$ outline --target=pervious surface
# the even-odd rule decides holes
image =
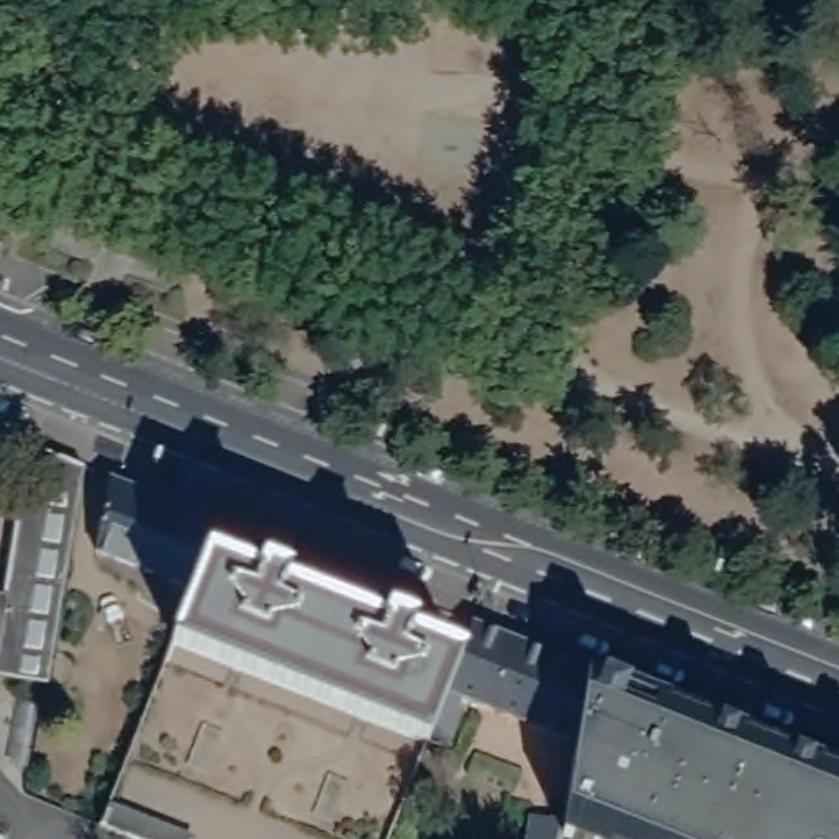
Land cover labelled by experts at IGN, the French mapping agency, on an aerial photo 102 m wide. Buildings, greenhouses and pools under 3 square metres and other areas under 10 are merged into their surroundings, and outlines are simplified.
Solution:
[[[839,393],[816,406],[816,416],[823,420],[823,429],[816,433],[803,429],[783,410],[777,416],[764,416],[764,410],[757,406],[751,410],[734,423],[708,423],[695,410],[695,403],[688,400],[669,420],[682,433],[714,442],[731,442],[744,449],[747,442],[780,442],[783,449],[790,449],[793,465],[803,465],[806,472],[810,478],[816,478],[819,505],[829,508],[829,515],[836,518],[839,518]]]
[[[111,623],[138,619],[154,629],[161,619],[157,603],[147,590],[141,593],[128,583],[105,577],[95,564],[105,557],[102,515],[108,478],[118,459],[98,456],[85,469],[85,521],[72,528],[69,541],[69,554],[75,554],[75,590],[92,596],[95,616],[105,613]]]

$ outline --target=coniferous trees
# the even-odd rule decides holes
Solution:
[[[810,180],[780,177],[777,190],[760,187],[751,193],[760,223],[760,249],[767,256],[800,252],[813,259],[813,265],[829,272],[836,269],[839,265],[839,226],[823,223],[823,210],[816,206],[816,193],[810,187]]]
[[[626,420],[623,406],[613,397],[600,393],[593,400],[593,420],[580,433],[580,439],[590,449],[606,452],[616,442],[616,429]]]
[[[682,446],[682,433],[669,420],[659,410],[652,420],[633,423],[629,429],[636,449],[642,449],[646,456],[672,456]]]

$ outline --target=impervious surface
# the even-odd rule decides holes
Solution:
[[[560,819],[564,826],[570,823],[577,737],[564,728],[564,721],[554,721],[547,714],[537,714],[531,721],[524,714],[524,721],[518,721],[511,711],[498,711],[495,705],[478,698],[462,698],[462,708],[478,711],[475,747],[518,764],[515,796],[528,800],[531,806],[541,810],[541,816]]]
[[[331,397],[338,393],[338,387],[357,380],[357,370],[351,370],[321,374],[295,374],[285,364],[285,370],[272,383],[265,383],[252,400],[243,393],[243,383],[236,380],[220,380],[216,390],[206,390],[197,367],[206,354],[220,347],[216,334],[206,328],[203,318],[193,318],[184,321],[177,334],[157,341],[154,354],[141,367],[125,367],[105,357],[92,341],[92,324],[69,324],[62,315],[49,308],[69,298],[75,282],[39,272],[33,265],[10,259],[10,252],[0,252],[0,436],[20,433],[29,420],[36,420],[36,426],[46,436],[52,436],[49,449],[62,456],[85,462],[85,469],[98,456],[118,459],[108,478],[115,485],[128,485],[134,478],[134,505],[151,495],[164,495],[167,508],[180,518],[190,518],[200,505],[203,515],[223,534],[243,537],[249,544],[288,544],[298,554],[298,564],[318,567],[374,593],[413,593],[420,596],[423,613],[459,623],[469,629],[469,636],[475,629],[488,633],[488,626],[505,626],[541,642],[541,652],[557,662],[580,662],[583,649],[590,649],[590,659],[600,669],[626,662],[633,665],[629,695],[705,721],[721,734],[734,734],[751,744],[787,754],[803,767],[816,767],[839,777],[839,616],[803,619],[800,626],[796,619],[790,619],[790,613],[780,610],[780,603],[770,603],[764,613],[734,610],[728,603],[718,603],[711,593],[701,593],[698,587],[665,580],[659,567],[639,567],[642,551],[633,551],[629,560],[623,560],[619,551],[606,551],[603,544],[580,547],[531,518],[508,515],[495,505],[472,501],[456,488],[446,488],[439,469],[400,472],[397,459],[387,452],[387,442],[367,446],[364,452],[341,452],[338,446],[321,439],[321,420],[331,413]]]
[[[23,678],[20,669],[0,669],[0,839],[118,839],[111,832],[102,832],[98,823],[79,813],[66,813],[52,800],[26,790],[26,764],[36,721],[36,682]]]
[[[92,256],[85,282],[95,285],[88,302],[95,311],[118,311],[125,302],[131,302],[131,288],[125,282],[141,282],[151,262],[131,259],[111,265],[108,259]]]

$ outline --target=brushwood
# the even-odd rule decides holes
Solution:
[[[442,780],[449,790],[462,790],[475,790],[482,803],[515,796],[518,764],[475,747],[478,711],[462,708],[456,721],[459,741],[436,760],[429,773]]]
[[[88,751],[85,790],[62,790],[52,780],[49,760],[43,767],[26,764],[26,790],[52,800],[66,813],[79,813],[98,823],[118,783],[134,731],[144,718],[147,698],[157,685],[167,646],[174,639],[174,626],[161,619],[154,629],[147,639],[141,678],[125,685],[128,714],[115,737],[115,747]]]

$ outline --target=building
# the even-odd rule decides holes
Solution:
[[[69,465],[69,485],[66,495],[49,501],[46,521],[0,521],[0,669],[20,669],[23,678],[36,682],[56,682],[56,675],[49,672],[46,639],[59,636],[62,593],[75,590],[75,554],[69,554],[69,541],[72,528],[85,521],[85,469],[85,462],[62,456],[62,465]]]
[[[429,773],[436,760],[459,741],[456,721],[462,708],[462,698],[478,698],[495,705],[498,711],[511,711],[518,721],[524,721],[524,714],[531,721],[537,714],[547,714],[554,721],[564,721],[564,728],[577,737],[570,823],[564,826],[560,819],[541,816],[541,810],[531,806],[521,819],[528,826],[524,839],[839,839],[839,777],[816,767],[803,767],[787,754],[751,744],[734,734],[721,734],[705,721],[629,695],[633,665],[626,662],[600,669],[590,659],[590,649],[583,649],[580,662],[557,662],[541,652],[541,642],[505,626],[488,626],[488,633],[475,629],[469,636],[469,629],[459,623],[423,613],[420,596],[413,593],[374,593],[318,567],[298,564],[298,554],[288,544],[249,544],[243,537],[223,534],[203,515],[200,505],[190,518],[180,518],[167,508],[164,495],[151,495],[134,505],[134,478],[128,485],[115,485],[108,478],[102,515],[105,557],[118,567],[141,564],[147,590],[157,603],[161,619],[174,626],[174,639],[167,646],[157,685],[147,698],[144,718],[134,731],[118,783],[98,823],[102,832],[111,832],[118,839],[390,839],[403,800]]]

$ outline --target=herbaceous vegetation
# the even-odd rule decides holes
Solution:
[[[773,36],[790,39],[806,26],[803,7],[810,7],[813,0],[767,0],[760,7],[767,29]]]
[[[347,364],[351,370],[357,370],[357,380],[377,380],[383,387],[393,387],[397,374],[383,361],[364,367],[361,357]]]
[[[452,826],[452,832],[436,832],[429,839],[524,839],[528,826],[521,819],[531,806],[528,800],[515,796],[482,803],[475,790],[462,790],[462,819]]]
[[[803,465],[793,465],[790,449],[783,449],[780,442],[747,442],[744,449],[744,478],[737,488],[721,482],[718,475],[698,472],[698,459],[714,452],[714,442],[682,433],[682,446],[672,456],[646,456],[642,449],[636,449],[629,429],[633,423],[652,420],[659,410],[669,420],[688,400],[695,403],[708,393],[711,370],[728,367],[741,380],[751,410],[757,406],[764,410],[764,416],[777,416],[783,410],[803,429],[816,433],[823,429],[823,420],[816,416],[816,406],[839,393],[839,377],[832,370],[819,370],[806,351],[819,344],[826,334],[839,338],[839,265],[836,269],[836,295],[826,302],[813,302],[806,308],[803,324],[793,331],[780,321],[770,302],[780,295],[780,285],[793,272],[810,272],[813,265],[813,259],[800,252],[767,256],[760,249],[760,223],[751,193],[760,187],[777,190],[780,177],[810,180],[813,151],[823,157],[839,157],[839,66],[813,59],[810,75],[816,82],[819,108],[803,115],[780,111],[777,98],[764,88],[760,69],[737,69],[737,82],[724,82],[721,92],[714,88],[714,79],[698,75],[678,88],[675,102],[685,121],[685,141],[678,151],[665,157],[665,167],[682,174],[682,180],[695,190],[695,203],[705,210],[705,236],[695,246],[695,252],[669,262],[659,272],[659,282],[669,292],[688,298],[692,305],[692,341],[675,357],[636,357],[633,331],[639,328],[642,315],[639,305],[623,305],[590,324],[596,341],[574,354],[577,377],[570,380],[567,397],[551,416],[541,403],[531,403],[521,413],[521,426],[505,426],[505,416],[488,413],[482,406],[482,397],[469,390],[469,380],[442,377],[439,393],[406,390],[406,403],[397,406],[387,423],[374,426],[374,436],[387,436],[390,423],[406,426],[406,433],[420,436],[423,416],[433,413],[439,420],[449,420],[446,433],[456,456],[475,456],[492,436],[505,442],[498,452],[505,462],[521,462],[521,456],[531,452],[531,459],[544,459],[544,472],[551,478],[567,482],[577,478],[577,459],[587,459],[590,472],[606,469],[613,482],[629,485],[623,495],[610,495],[606,508],[633,508],[642,495],[652,498],[652,518],[675,531],[692,531],[695,521],[708,521],[711,537],[721,547],[714,570],[724,570],[724,554],[737,554],[757,541],[757,528],[751,524],[751,518],[757,515],[757,501],[770,498],[773,488],[787,478],[787,472],[806,472]],[[626,420],[616,429],[616,442],[606,452],[590,449],[580,439],[580,433],[593,420],[593,400],[600,393],[613,397],[623,406]]]
[[[839,184],[810,187],[816,193],[816,206],[823,210],[823,223],[839,226]]]
[[[151,295],[151,331],[157,341],[177,334],[184,321],[193,318],[203,318],[206,328],[216,334],[223,321],[210,308],[203,279],[174,275],[167,282],[167,272],[151,262],[141,282]]]
[[[839,574],[839,518],[836,518],[826,531],[813,531],[813,551],[790,544],[783,537],[777,547],[780,557],[793,560],[787,570],[793,583],[826,577],[826,570]]]
[[[29,252],[20,229],[0,239],[0,252],[10,252],[10,259],[33,265],[39,272],[75,282],[85,282],[92,256],[108,259],[111,265],[131,259],[128,239],[105,246],[105,239],[82,243],[62,233],[56,256],[39,256]]]
[[[279,351],[285,364],[295,374],[321,374],[324,361],[308,347],[305,331],[292,331],[288,338],[269,338],[265,347]]]
[[[128,583],[141,593],[147,590],[141,564],[118,567],[105,557],[95,564],[105,577]]]
[[[478,36],[456,26],[449,16],[429,13],[423,16],[423,26],[429,29],[429,36],[416,43],[397,39],[393,52],[374,52],[367,46],[367,36],[351,36],[344,26],[338,26],[338,36],[331,39],[328,52],[315,52],[311,46],[282,49],[265,36],[243,43],[200,43],[174,62],[174,88],[161,88],[154,95],[154,105],[161,118],[174,128],[193,125],[203,138],[249,144],[265,157],[275,157],[275,167],[341,180],[341,187],[351,187],[351,197],[364,203],[383,203],[403,220],[416,220],[420,226],[433,229],[452,229],[465,239],[472,216],[485,216],[492,193],[501,187],[508,174],[515,177],[515,170],[524,161],[518,125],[521,102],[531,98],[531,85],[521,79],[528,66],[521,59],[521,43],[515,36],[498,43],[495,36]]]
[[[141,678],[147,639],[154,629],[138,619],[111,623],[105,613],[95,616],[82,642],[66,642],[59,636],[46,639],[49,672],[56,675],[56,682],[36,682],[36,721],[26,764],[43,767],[49,760],[52,780],[62,790],[85,790],[88,751],[115,747],[115,737],[128,714],[125,685]]]

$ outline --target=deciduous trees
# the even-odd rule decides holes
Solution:
[[[728,367],[711,370],[708,393],[695,403],[695,410],[708,423],[734,423],[751,410],[741,380]]]
[[[62,465],[62,456],[49,449],[52,436],[46,436],[36,426],[36,420],[29,420],[20,433],[0,436],[0,521],[46,521],[49,501],[66,495],[69,485],[69,465]]]
[[[803,324],[806,308],[813,302],[826,302],[836,295],[836,269],[829,272],[813,265],[810,272],[793,272],[780,285],[780,295],[770,302],[780,321],[793,331]]]
[[[125,367],[141,367],[154,354],[157,341],[151,331],[151,295],[141,282],[125,282],[131,288],[131,302],[125,302],[118,311],[95,311],[88,302],[95,285],[85,282],[75,282],[69,298],[49,308],[62,315],[69,324],[92,324],[92,341],[105,357]]]
[[[731,442],[714,442],[714,452],[698,459],[698,472],[718,475],[721,482],[737,488],[744,478],[744,449]]]
[[[82,642],[95,616],[92,596],[75,590],[62,593],[59,636],[66,642]]]
[[[839,157],[823,157],[813,151],[810,180],[810,187],[839,184]]]
[[[449,790],[442,780],[429,773],[403,800],[390,839],[429,839],[436,832],[452,832],[452,826],[462,819],[462,790]]]
[[[839,338],[826,334],[819,344],[806,351],[819,370],[832,370],[839,377]]]
[[[777,98],[780,111],[803,115],[819,108],[816,82],[810,75],[813,59],[839,66],[839,0],[813,0],[810,7],[803,7],[806,26],[790,39],[773,36],[767,29],[760,7],[767,0],[0,0],[0,239],[20,229],[29,252],[39,256],[56,256],[62,233],[82,243],[105,239],[105,246],[128,239],[131,259],[151,262],[167,272],[167,282],[174,275],[203,279],[210,308],[223,321],[216,334],[220,347],[206,354],[197,367],[206,390],[216,390],[220,380],[236,380],[243,383],[243,393],[252,400],[265,383],[272,383],[285,370],[285,364],[279,351],[265,347],[269,338],[288,338],[292,331],[305,331],[308,347],[324,361],[321,374],[351,370],[347,364],[361,357],[364,367],[383,361],[397,374],[393,387],[383,387],[377,380],[357,380],[338,387],[338,393],[331,397],[331,413],[321,420],[321,439],[338,446],[341,452],[364,452],[367,446],[387,442],[387,452],[397,459],[400,472],[439,469],[446,488],[456,488],[472,501],[495,505],[508,515],[531,518],[580,547],[603,544],[606,551],[619,551],[623,560],[629,560],[633,551],[642,551],[639,567],[659,567],[665,580],[698,587],[701,593],[711,593],[718,603],[728,603],[734,610],[764,613],[770,603],[780,603],[780,610],[790,613],[790,619],[796,619],[800,626],[803,619],[839,616],[839,574],[826,570],[826,577],[793,583],[787,570],[793,560],[780,557],[777,547],[783,537],[790,544],[813,551],[813,531],[826,531],[836,518],[829,515],[829,508],[819,505],[816,478],[810,478],[806,472],[787,472],[787,478],[773,488],[770,498],[757,501],[757,515],[751,518],[751,524],[757,528],[757,541],[737,554],[724,554],[724,570],[714,570],[721,547],[711,537],[708,521],[695,521],[692,531],[675,531],[652,518],[652,498],[642,495],[633,508],[606,508],[610,495],[623,495],[629,485],[613,482],[606,469],[590,472],[587,459],[577,459],[577,478],[567,482],[551,478],[544,472],[544,459],[531,459],[531,452],[521,456],[521,462],[505,462],[498,452],[505,442],[492,436],[475,456],[456,456],[446,433],[449,420],[439,420],[433,413],[423,416],[420,436],[406,433],[406,426],[390,423],[387,436],[374,436],[374,426],[387,423],[397,406],[406,403],[406,390],[439,393],[442,377],[469,380],[469,390],[482,397],[482,406],[488,413],[505,416],[505,426],[521,426],[521,413],[531,403],[541,403],[551,416],[567,397],[570,380],[577,377],[574,354],[596,341],[590,324],[623,305],[639,305],[642,315],[639,328],[633,331],[636,357],[675,357],[692,341],[692,305],[688,298],[669,292],[659,282],[659,272],[669,262],[695,252],[695,246],[705,236],[705,210],[695,203],[695,190],[682,180],[682,174],[665,167],[665,157],[678,151],[685,141],[685,121],[675,102],[678,88],[698,75],[714,79],[714,88],[721,92],[724,82],[737,82],[737,69],[760,69],[764,88]],[[403,220],[383,203],[364,203],[351,197],[351,187],[341,187],[341,180],[275,167],[275,157],[265,157],[249,144],[203,138],[193,125],[174,128],[161,118],[154,105],[154,95],[161,88],[174,88],[174,62],[200,43],[243,43],[265,36],[282,49],[311,46],[315,52],[328,52],[331,39],[338,36],[338,26],[344,26],[351,36],[367,36],[367,46],[374,52],[393,52],[397,39],[416,43],[429,36],[429,29],[423,26],[423,16],[429,13],[449,16],[456,26],[478,36],[495,36],[498,43],[515,36],[521,43],[521,59],[528,66],[521,79],[531,85],[531,98],[521,102],[518,125],[524,161],[515,170],[515,177],[508,174],[501,187],[492,193],[485,216],[472,216],[465,239],[452,229],[433,229],[420,226],[416,220]]]

